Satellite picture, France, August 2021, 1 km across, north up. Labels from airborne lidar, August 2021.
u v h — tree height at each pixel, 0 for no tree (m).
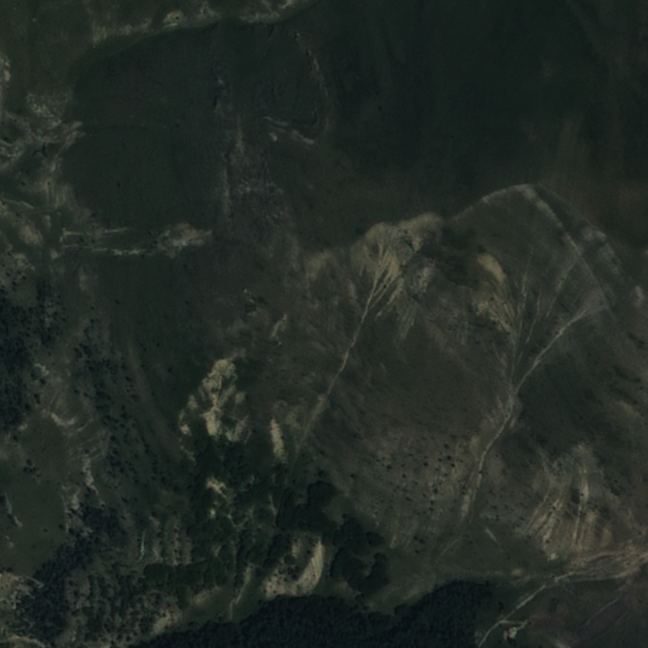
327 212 0
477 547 0
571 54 0
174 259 0
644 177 0
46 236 0
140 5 0
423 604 8
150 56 0
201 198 0
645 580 0
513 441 0
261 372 0
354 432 0
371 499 0
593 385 0
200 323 0
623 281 0
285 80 0
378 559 11
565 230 0
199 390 0
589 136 0
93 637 13
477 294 0
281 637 20
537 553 0
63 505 0
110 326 0
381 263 0
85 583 0
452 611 11
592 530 0
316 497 15
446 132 0
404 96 0
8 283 0
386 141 0
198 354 0
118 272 0
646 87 0
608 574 0
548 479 0
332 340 0
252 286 0
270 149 0
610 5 0
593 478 0
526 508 0
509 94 0
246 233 0
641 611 0
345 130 0
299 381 0
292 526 13
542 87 0
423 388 0
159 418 0
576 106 0
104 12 0
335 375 0
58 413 0
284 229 0
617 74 0
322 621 11
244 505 6
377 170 0
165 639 11
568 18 0
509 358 0
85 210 0
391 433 0
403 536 0
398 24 0
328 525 16
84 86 0
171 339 0
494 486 0
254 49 0
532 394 0
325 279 0
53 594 12
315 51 0
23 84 0
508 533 0
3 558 0
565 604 0
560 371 0
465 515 0
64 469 0
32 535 0
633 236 0
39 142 0
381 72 0
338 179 0
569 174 0
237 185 0
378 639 10
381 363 0
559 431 0
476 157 0
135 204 0
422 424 0
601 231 0
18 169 0
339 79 0
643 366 0
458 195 0
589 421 0
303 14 0
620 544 0
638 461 0
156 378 0
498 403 0
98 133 0
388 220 0
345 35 0
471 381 0
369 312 0
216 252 0
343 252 0
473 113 0
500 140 0
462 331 0
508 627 0
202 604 0
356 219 0
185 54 0
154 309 0
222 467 12
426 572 0
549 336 0
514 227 0
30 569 0
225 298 0
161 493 0
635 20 0
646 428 0
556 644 0
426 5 0
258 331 0
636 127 0
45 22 0
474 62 0
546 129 0
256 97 0
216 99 0
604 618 0
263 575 9
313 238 0
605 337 0
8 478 0
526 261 0
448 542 0
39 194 0
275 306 0
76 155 0
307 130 0
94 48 0
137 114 0
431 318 0
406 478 8
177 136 0
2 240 0
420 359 0
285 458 0
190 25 0
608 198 0
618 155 0
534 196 0
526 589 0
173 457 0
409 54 0
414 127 0
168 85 0
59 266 0
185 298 0
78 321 0
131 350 0
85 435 0
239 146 0
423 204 0
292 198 0
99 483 0
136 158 0
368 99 0
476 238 0
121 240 0
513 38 0
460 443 0
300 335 0
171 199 0
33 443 0
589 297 0
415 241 0
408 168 0
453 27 0
